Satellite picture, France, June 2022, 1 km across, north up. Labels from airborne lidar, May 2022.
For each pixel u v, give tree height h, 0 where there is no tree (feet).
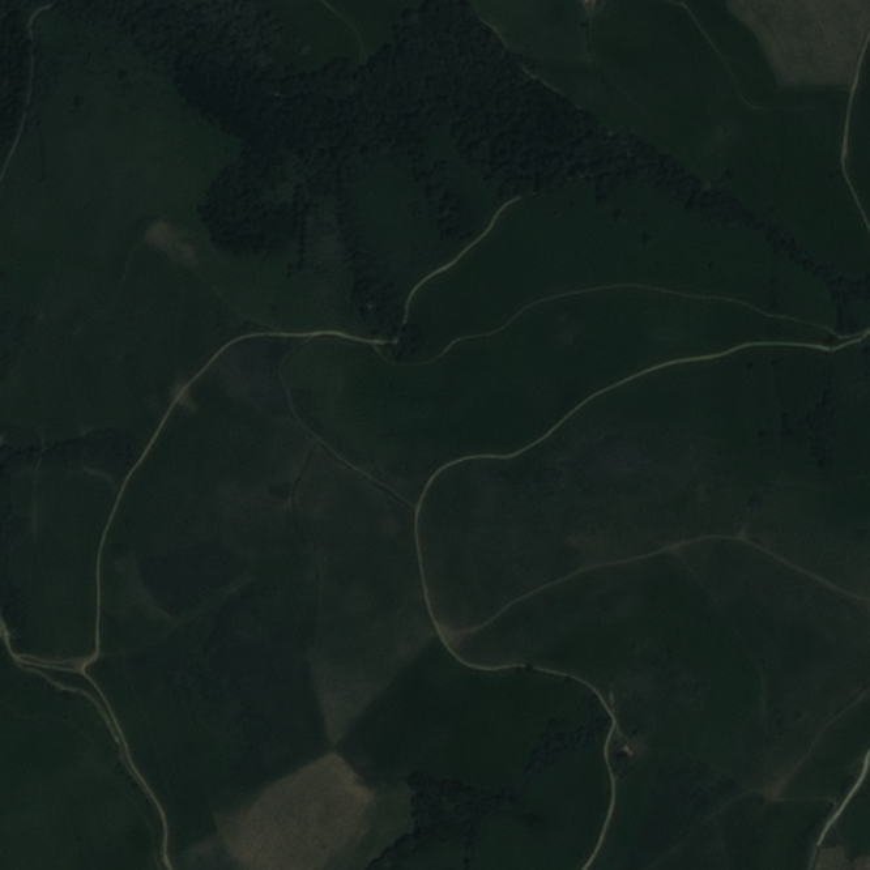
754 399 0
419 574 0
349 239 37
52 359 0
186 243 0
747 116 0
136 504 0
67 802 0
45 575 0
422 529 0
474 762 0
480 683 0
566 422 0
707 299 0
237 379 0
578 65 0
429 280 0
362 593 0
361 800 0
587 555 0
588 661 0
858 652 0
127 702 0
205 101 61
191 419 0
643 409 0
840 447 0
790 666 0
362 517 0
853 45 0
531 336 0
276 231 41
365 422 0
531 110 62
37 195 0
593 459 0
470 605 0
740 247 0
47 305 0
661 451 0
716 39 0
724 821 0
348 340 0
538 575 0
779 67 0
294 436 0
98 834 0
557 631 0
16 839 0
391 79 80
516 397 0
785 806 0
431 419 0
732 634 0
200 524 0
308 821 0
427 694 0
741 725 0
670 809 0
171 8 74
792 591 0
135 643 0
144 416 0
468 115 69
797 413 0
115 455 27
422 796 52
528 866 0
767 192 0
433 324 0
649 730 0
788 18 0
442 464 0
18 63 35
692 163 0
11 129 26
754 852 0
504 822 0
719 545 0
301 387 0
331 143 29
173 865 0
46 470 0
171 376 0
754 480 0
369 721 0
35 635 0
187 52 38
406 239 0
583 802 0
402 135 33
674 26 0
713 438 0
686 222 0
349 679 0
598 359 0
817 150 0
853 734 0
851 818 0
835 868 0
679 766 0
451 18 70
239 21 40
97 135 0
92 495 0
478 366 0
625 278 0
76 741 0
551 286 0
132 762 0
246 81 97
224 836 0
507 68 52
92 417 0
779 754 0
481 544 0
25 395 0
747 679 0
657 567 0
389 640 0
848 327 25
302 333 0
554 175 76
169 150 0
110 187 0
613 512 0
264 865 0
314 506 0
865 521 0
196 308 0
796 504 0
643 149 38
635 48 0
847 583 0
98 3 31
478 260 0
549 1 0
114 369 0
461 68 67
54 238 0
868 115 0
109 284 0
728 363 0
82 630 0
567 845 0
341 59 24
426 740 0
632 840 0
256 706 0
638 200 0
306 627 0
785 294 0
